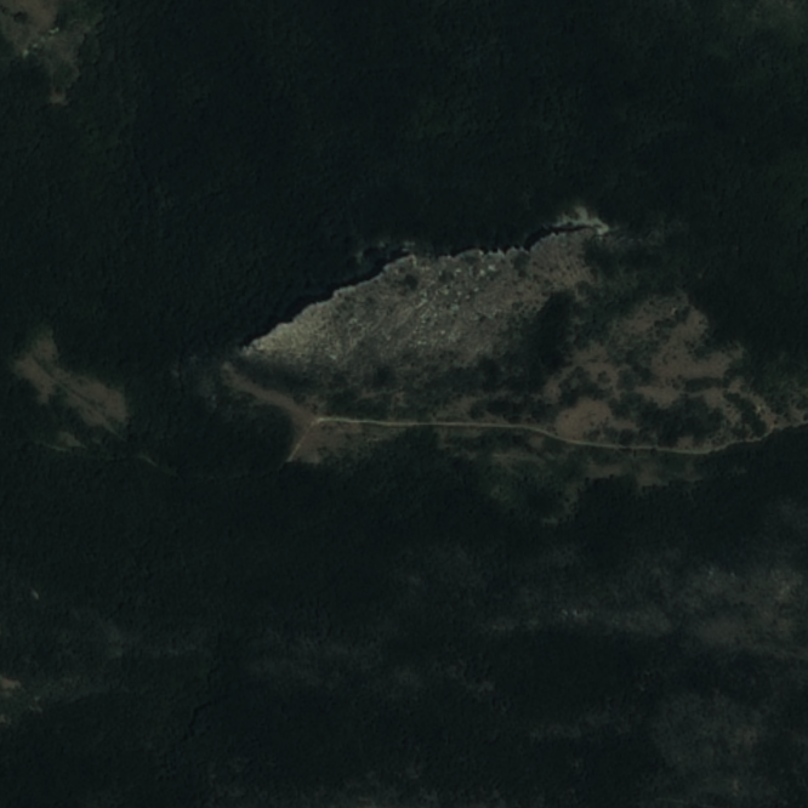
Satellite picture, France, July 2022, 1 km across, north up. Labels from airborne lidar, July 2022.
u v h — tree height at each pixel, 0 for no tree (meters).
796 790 8
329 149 11
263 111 15
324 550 10
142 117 13
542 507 16
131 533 16
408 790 8
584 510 10
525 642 9
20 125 21
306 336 0
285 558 10
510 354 6
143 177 9
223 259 19
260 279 13
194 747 14
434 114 10
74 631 8
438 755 12
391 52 13
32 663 9
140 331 20
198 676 11
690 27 6
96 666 7
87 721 14
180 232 14
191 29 13
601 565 12
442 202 16
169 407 14
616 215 19
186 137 12
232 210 14
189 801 12
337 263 19
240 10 15
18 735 8
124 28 13
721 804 7
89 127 13
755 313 17
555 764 14
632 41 11
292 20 12
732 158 18
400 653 9
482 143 15
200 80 10
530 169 15
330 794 8
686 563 6
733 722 6
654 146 13
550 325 11
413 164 12
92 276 17
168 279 16
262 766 8
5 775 13
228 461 12
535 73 16
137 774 8
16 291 17
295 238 12
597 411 0
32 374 0
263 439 7
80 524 14
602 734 7
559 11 12
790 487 10
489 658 14
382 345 0
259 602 13
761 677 8
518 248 6
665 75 13
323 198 14
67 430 9
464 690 8
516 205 14
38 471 17
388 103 15
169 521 16
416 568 10
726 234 17
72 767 13
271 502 14
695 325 0
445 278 6
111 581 10
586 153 14
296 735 13
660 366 0
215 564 14
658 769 11
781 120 17
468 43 11
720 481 8
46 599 7
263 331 15
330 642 8
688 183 15
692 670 7
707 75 17
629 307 8
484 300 0
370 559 9
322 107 15
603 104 17
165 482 13
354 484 11
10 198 14
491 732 10
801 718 7
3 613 6
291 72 15
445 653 10
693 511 13
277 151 12
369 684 8
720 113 18
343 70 11
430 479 10
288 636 8
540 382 6
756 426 8
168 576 14
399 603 6
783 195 10
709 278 11
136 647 6
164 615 12
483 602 7
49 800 10
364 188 10
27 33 0
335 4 14
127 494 18
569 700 10
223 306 9
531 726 6
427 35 11
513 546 20
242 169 6
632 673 12
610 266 10
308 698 11
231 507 15
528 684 13
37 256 16
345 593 15
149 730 9
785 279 8
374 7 15
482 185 15
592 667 13
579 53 16
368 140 13
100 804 6
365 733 11
